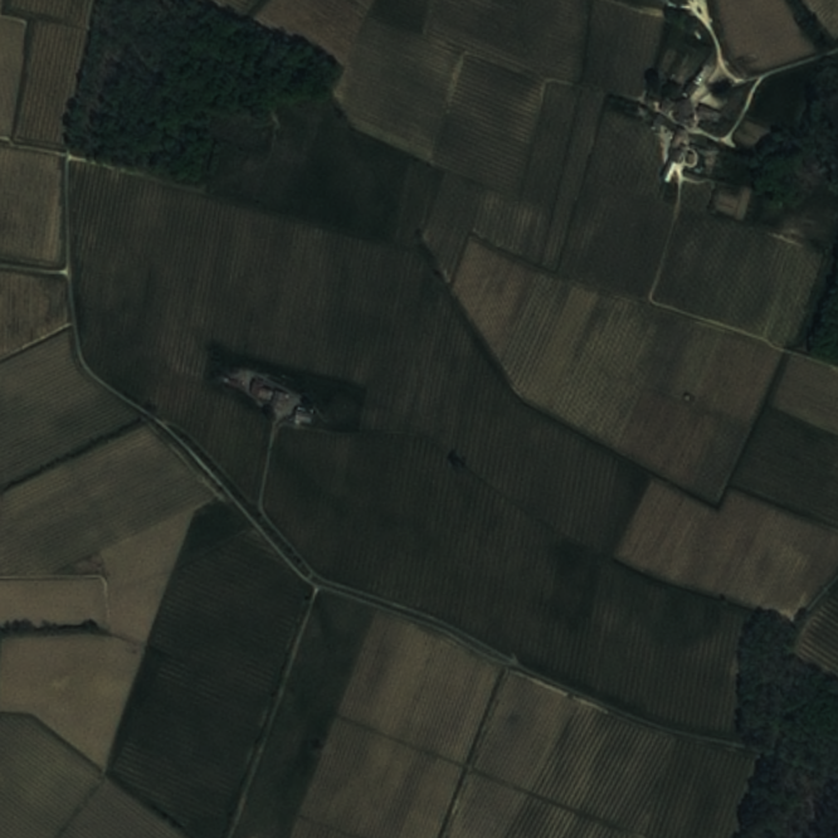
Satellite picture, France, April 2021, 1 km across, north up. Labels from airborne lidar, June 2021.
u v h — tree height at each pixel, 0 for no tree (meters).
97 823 0
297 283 0
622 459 0
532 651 0
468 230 0
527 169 0
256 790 0
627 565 0
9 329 0
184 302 0
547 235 0
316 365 0
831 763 20
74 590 0
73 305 0
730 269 0
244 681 0
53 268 0
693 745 0
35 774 0
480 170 0
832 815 25
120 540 0
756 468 0
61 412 0
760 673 15
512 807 0
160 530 0
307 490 0
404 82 0
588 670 0
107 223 0
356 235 0
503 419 0
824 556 0
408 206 0
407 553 0
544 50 0
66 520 0
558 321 0
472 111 0
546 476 0
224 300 0
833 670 0
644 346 0
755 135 0
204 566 0
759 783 12
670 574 0
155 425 8
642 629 0
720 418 0
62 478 0
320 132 0
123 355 0
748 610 0
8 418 0
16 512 0
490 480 0
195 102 20
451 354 0
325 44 0
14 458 0
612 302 0
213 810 0
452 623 0
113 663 0
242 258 0
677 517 0
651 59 0
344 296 0
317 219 0
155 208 0
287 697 0
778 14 0
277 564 0
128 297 0
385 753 0
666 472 0
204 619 0
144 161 23
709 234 0
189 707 0
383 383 0
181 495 0
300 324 0
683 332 0
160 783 0
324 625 0
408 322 0
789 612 0
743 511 0
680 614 0
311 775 0
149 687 0
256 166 0
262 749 0
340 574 0
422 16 0
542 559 0
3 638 8
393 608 0
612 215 0
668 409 0
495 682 0
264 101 24
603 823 0
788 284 0
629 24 0
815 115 26
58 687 0
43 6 0
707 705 0
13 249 0
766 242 0
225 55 23
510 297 0
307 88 27
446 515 0
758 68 0
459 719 0
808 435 0
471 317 0
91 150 16
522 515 0
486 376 0
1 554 0
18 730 0
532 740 0
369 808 0
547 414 0
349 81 0
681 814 0
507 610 0
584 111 0
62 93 0
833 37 0
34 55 0
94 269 0
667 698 0
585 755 0
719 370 0
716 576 0
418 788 0
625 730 0
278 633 0
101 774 0
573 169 0
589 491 0
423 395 0
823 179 11
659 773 0
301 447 0
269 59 26
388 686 0
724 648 0
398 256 0
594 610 0
